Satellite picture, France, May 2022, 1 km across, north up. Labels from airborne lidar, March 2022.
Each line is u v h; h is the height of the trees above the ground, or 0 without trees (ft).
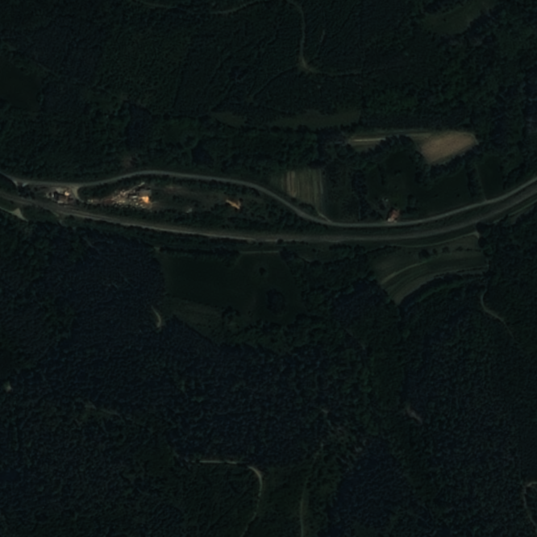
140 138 73
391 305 66
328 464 50
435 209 0
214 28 22
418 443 56
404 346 62
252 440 70
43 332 76
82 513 105
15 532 23
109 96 61
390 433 34
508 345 51
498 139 93
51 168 78
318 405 108
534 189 0
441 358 91
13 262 97
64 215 0
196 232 0
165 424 50
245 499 17
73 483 74
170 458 34
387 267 0
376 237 0
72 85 64
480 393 89
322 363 121
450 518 80
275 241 0
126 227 0
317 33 28
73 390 109
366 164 63
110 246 94
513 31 51
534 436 57
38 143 35
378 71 38
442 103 56
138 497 72
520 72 62
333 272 60
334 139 109
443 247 0
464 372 93
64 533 39
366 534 0
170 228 0
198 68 38
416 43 27
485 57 58
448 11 53
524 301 27
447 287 26
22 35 70
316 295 73
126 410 111
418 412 78
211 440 87
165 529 21
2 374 41
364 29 36
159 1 29
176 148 59
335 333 69
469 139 0
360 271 50
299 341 55
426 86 48
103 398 106
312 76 20
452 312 52
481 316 74
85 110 80
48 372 82
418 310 71
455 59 31
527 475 49
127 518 27
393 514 73
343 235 0
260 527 36
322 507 68
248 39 37
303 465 41
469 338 76
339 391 94
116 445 49
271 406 86
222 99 22
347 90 37
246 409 89
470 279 44
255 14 31
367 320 32
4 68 0
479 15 0
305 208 45
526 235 39
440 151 0
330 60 31
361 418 93
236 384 97
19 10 82
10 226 68
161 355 125
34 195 34
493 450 92
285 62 31
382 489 112
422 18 81
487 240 43
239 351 103
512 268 65
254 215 30
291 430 94
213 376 91
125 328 104
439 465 86
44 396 124
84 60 77
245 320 0
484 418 96
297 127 0
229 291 0
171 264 0
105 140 24
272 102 34
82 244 89
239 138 33
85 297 99
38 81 0
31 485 119
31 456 76
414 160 58
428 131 21
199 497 19
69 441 88
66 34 55
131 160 0
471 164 69
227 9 37
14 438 74
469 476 103
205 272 0
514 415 53
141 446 49
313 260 0
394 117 79
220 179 0
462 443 85
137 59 21
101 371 112
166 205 0
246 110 38
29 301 51
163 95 23
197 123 33
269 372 89
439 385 86
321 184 0
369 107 76
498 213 0
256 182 0
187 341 107
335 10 30
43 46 71
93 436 100
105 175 45
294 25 29
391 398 24
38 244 57
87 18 55
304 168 0
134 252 101
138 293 90
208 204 0
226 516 20
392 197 0
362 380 90
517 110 57
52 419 99
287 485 35
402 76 43
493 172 0
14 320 69
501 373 51
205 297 0
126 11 40
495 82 62
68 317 41
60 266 97
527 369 30
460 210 0
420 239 0
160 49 21
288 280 0
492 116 52
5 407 92
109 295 99
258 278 0
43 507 130
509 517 92
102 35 57
